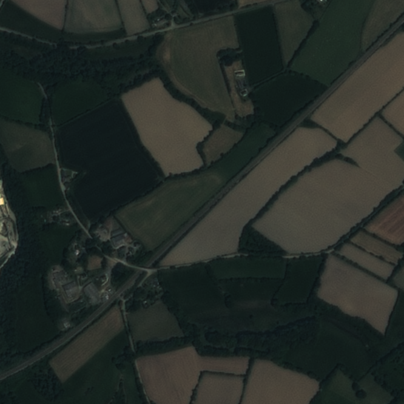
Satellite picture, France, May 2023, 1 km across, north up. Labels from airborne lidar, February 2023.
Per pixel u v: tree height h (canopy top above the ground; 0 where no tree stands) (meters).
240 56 9
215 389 0
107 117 0
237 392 0
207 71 0
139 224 0
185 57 0
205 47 0
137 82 14
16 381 16
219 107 0
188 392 0
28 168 0
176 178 12
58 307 7
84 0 0
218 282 7
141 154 0
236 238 0
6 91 0
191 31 0
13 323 17
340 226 0
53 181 0
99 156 0
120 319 0
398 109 0
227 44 0
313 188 0
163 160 0
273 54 0
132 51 0
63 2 0
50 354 7
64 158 0
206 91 0
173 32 0
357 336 0
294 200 0
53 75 20
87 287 0
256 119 14
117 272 17
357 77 0
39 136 0
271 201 10
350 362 0
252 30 0
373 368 8
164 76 15
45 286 14
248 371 10
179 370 0
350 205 0
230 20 0
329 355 0
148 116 0
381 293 0
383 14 0
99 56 0
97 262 0
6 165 18
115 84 0
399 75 0
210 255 0
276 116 0
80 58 28
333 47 0
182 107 0
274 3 0
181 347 0
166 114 0
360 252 0
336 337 0
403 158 0
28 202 10
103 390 0
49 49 12
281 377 0
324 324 0
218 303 0
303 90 0
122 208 6
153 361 0
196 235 0
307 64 0
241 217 0
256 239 15
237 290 0
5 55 14
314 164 13
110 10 0
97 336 0
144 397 10
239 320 0
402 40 0
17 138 0
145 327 0
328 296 0
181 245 0
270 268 0
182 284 0
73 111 0
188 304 0
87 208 0
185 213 0
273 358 22
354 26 0
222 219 0
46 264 15
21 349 0
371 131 0
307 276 0
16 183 19
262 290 0
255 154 0
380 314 0
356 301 0
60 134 0
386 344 0
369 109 0
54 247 0
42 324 0
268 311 0
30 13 0
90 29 0
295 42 0
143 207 0
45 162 0
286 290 0
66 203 0
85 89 0
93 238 11
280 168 0
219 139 0
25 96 0
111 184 0
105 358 0
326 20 0
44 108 15
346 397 0
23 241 21
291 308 19
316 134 0
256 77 0
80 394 0
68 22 0
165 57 0
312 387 0
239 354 20
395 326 0
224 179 0
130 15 0
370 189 0
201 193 0
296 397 0
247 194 0
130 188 0
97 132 0
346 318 10
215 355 18
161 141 0
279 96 0
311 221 0
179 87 0
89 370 0
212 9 0
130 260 9
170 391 0
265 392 0
